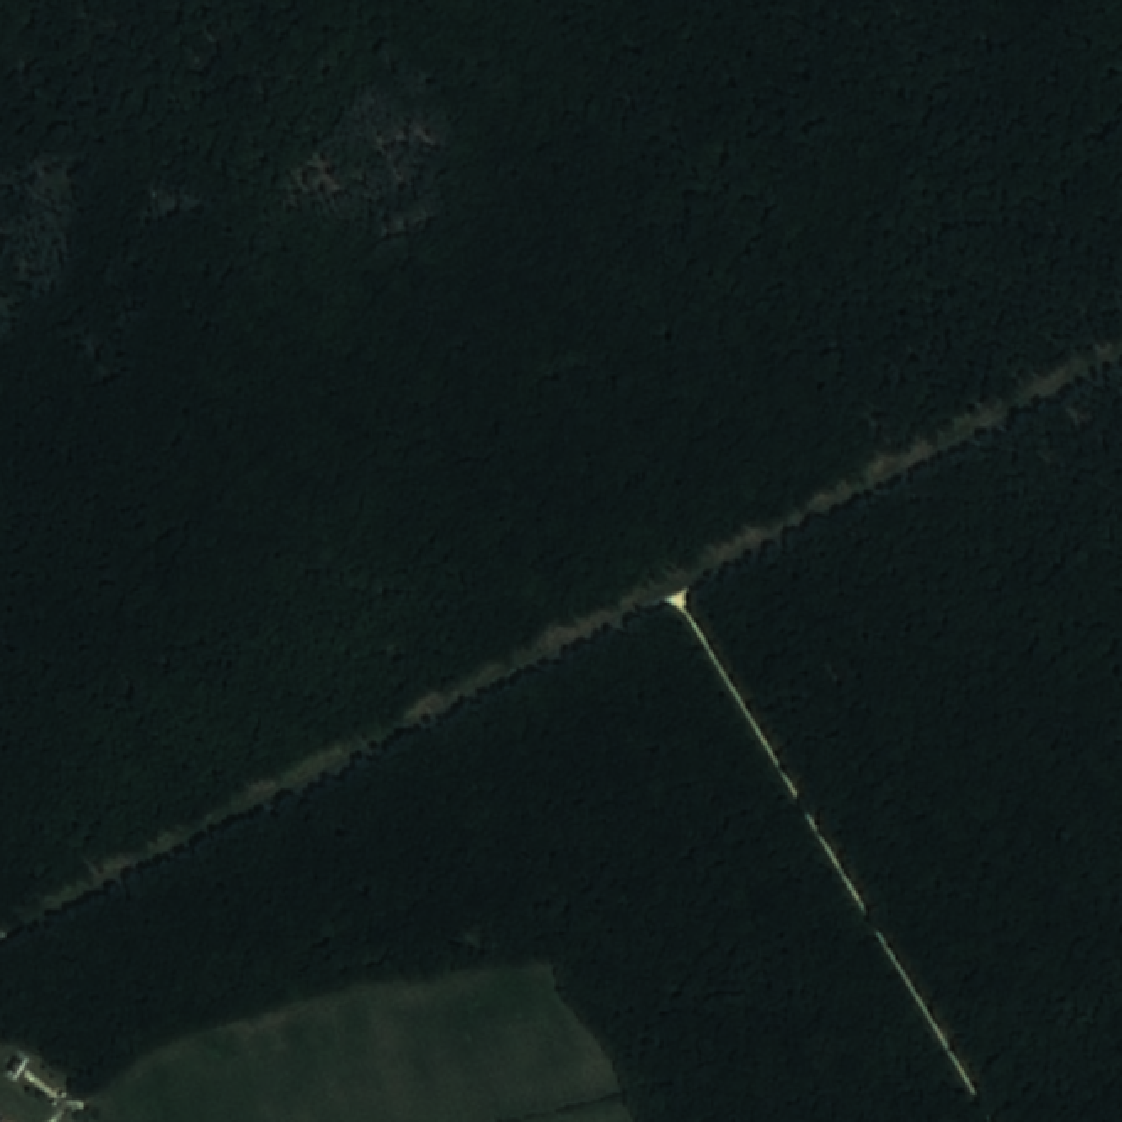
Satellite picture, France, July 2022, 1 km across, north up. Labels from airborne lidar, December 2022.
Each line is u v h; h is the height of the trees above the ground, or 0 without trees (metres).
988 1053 22
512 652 26
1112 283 32
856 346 31
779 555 22
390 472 26
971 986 24
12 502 26
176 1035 17
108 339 25
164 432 25
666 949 24
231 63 27
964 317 33
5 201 25
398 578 21
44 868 25
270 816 25
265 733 23
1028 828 25
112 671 26
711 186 29
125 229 22
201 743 22
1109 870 26
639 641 22
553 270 28
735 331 30
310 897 28
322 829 29
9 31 24
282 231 18
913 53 28
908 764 20
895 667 23
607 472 27
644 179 34
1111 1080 23
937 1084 23
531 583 25
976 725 25
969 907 25
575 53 26
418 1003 0
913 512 25
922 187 34
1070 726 27
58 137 26
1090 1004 21
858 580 25
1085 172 34
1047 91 33
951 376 32
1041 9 32
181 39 28
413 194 25
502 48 22
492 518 26
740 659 25
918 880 25
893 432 25
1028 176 36
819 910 22
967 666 25
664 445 26
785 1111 20
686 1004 21
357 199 27
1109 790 27
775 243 24
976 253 35
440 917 28
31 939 28
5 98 25
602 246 30
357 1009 0
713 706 24
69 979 27
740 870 26
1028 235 32
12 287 24
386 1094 0
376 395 27
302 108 24
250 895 30
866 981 23
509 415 24
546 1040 0
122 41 11
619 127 33
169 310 26
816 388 25
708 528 24
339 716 23
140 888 28
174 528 26
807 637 25
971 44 31
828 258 22
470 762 26
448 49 25
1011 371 31
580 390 25
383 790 28
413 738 25
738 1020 23
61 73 31
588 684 27
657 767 28
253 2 27
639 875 27
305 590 22
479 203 20
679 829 26
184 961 30
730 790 26
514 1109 0
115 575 26
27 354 25
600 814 28
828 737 22
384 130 31
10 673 26
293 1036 0
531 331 25
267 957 29
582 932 27
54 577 25
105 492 28
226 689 23
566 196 28
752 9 34
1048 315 32
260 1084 0
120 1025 25
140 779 24
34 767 28
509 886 28
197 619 28
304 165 20
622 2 32
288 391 28
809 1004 20
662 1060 21
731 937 23
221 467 25
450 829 30
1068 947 23
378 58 23
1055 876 25
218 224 22
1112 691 28
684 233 28
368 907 28
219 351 26
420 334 27
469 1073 0
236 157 24
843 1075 22
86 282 26
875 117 28
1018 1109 27
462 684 22
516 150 23
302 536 23
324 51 20
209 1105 0
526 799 27
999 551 25
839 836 22
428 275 21
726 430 25
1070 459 30
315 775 0
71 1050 26
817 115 30
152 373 25
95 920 27
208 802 23
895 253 29
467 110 26
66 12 28
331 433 27
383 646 22
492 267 22
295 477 24
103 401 26
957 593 22
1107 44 34
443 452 25
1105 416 31
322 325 26
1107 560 32
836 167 26
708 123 32
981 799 25
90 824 24
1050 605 32
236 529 29
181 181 26
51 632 26
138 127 29
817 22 34
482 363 26
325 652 20
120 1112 0
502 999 0
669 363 25
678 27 34
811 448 26
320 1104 0
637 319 28
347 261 23
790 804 14
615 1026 21
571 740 26
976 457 27
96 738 27
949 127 32
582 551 24
